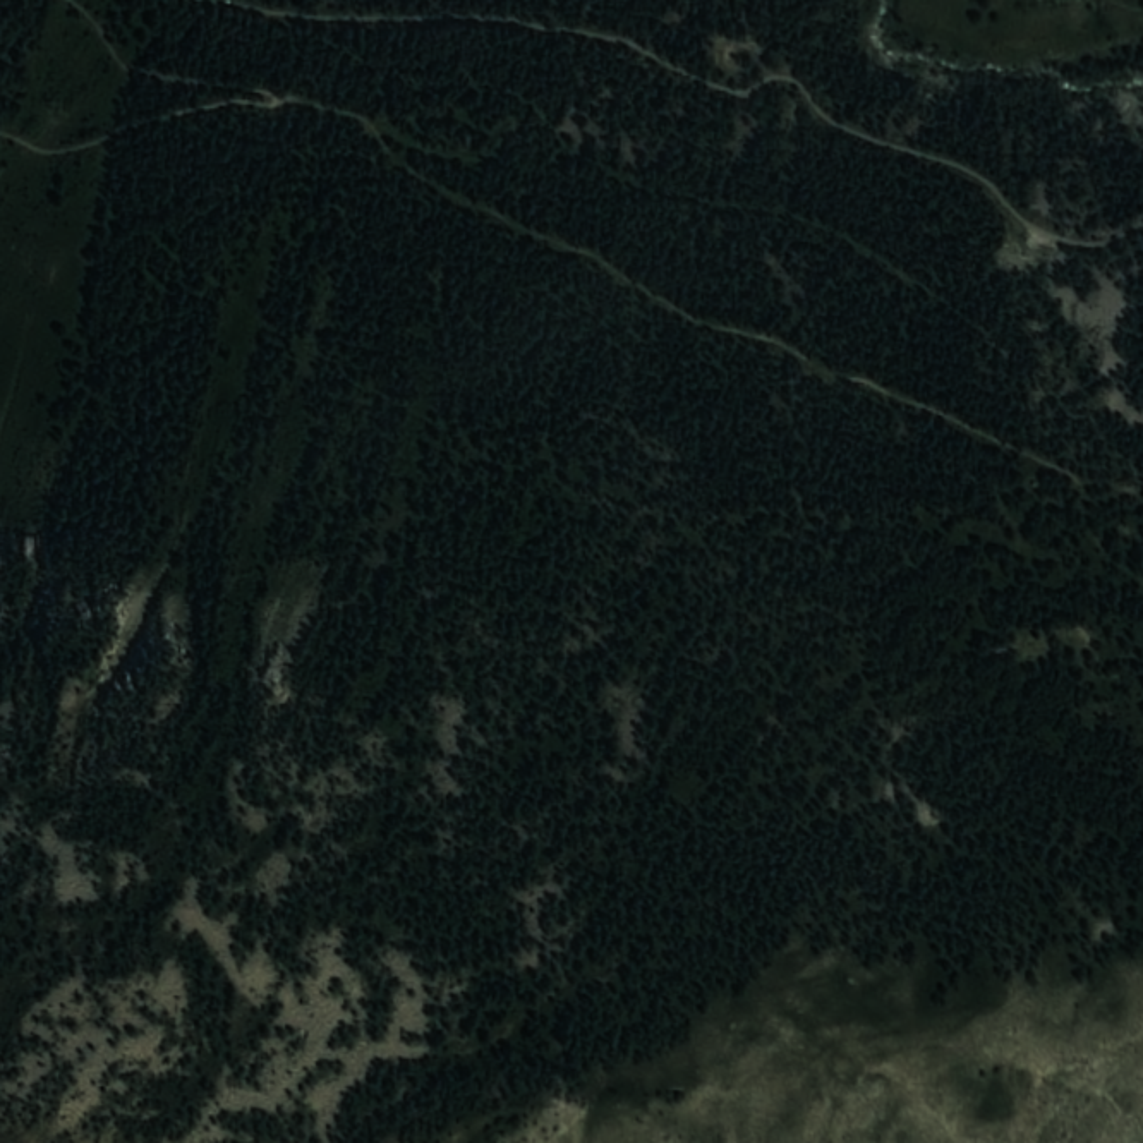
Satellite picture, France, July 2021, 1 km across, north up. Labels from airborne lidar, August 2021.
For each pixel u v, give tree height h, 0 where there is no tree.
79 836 7
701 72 22
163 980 0
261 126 16
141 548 15
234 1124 8
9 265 0
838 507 16
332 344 31
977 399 19
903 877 20
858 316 14
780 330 14
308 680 8
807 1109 0
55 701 14
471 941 20
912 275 23
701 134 17
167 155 15
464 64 16
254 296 0
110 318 22
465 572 12
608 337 17
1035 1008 0
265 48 18
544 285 12
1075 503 23
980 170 8
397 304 21
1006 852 25
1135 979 0
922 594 21
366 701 5
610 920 21
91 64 0
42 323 0
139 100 17
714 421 23
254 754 10
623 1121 0
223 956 0
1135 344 14
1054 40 0
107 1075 8
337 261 18
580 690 25
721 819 21
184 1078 8
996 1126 0
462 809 15
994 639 14
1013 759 10
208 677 19
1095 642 10
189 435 10
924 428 16
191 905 0
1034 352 12
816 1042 0
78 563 12
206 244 27
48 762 7
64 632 10
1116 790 15
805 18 10
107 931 8
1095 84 8
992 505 15
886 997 0
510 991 21
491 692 11
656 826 20
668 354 14
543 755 23
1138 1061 0
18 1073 8
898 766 8
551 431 15
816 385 18
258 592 6
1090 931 15
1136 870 12
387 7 20
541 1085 8
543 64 24
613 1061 10
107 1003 8
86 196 0
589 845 17
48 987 12
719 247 17
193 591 10
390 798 19
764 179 20
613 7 21
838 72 16
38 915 14
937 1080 0
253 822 0
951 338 17
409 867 26
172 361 22
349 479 8
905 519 16
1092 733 16
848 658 7
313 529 24
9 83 24
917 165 22
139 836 10
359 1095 12
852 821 13
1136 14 0
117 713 7
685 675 21
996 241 14
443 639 16
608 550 24
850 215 20
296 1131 13
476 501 34
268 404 24
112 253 19
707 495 13
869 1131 0
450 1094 20
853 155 21
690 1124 0
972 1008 0
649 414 18
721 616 20
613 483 15
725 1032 0
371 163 22
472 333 20
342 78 18
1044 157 19
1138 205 20
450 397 14
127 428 12
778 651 18
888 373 9
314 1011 0
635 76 20
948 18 0
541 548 24
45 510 6
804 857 12
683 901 15
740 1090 0
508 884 12
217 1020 11
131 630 0
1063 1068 0
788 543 20
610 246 21
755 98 13
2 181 0
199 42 25
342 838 21
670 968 15
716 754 7
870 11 6
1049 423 15
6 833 0
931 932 21
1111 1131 0
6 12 25
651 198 21
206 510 7
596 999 17
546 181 18
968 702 9
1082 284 8
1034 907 11
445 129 21
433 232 15
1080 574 11
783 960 0
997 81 17
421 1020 0
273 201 23
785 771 19
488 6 21
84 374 8
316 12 12
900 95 22
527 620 18
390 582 21
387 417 12
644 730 22
